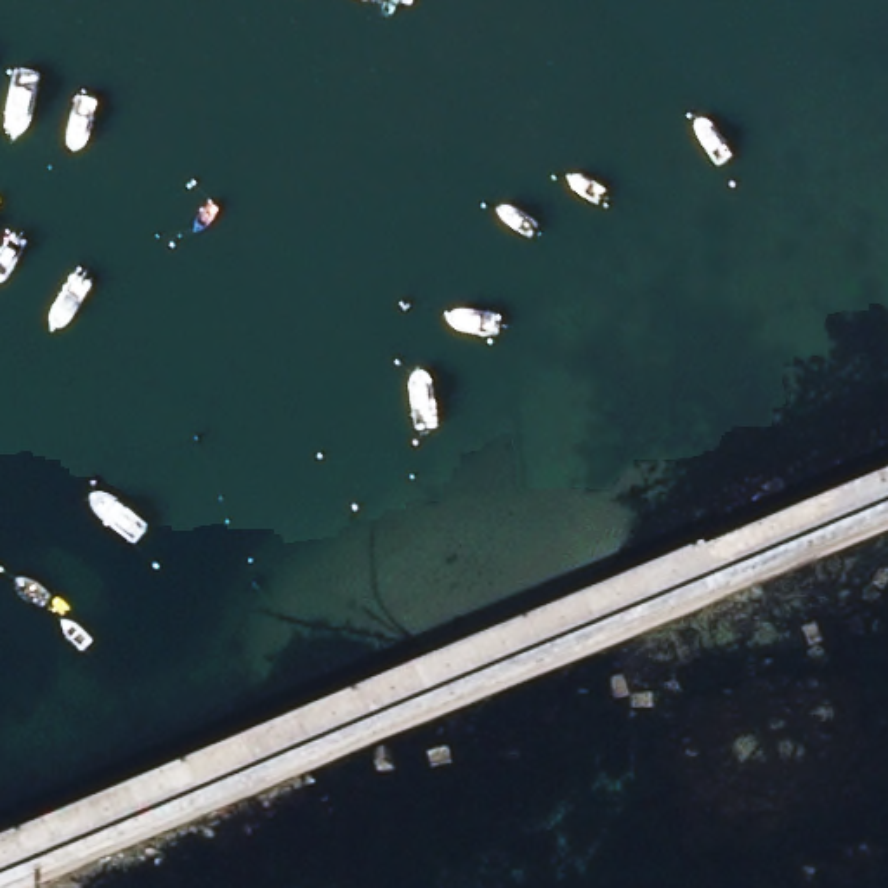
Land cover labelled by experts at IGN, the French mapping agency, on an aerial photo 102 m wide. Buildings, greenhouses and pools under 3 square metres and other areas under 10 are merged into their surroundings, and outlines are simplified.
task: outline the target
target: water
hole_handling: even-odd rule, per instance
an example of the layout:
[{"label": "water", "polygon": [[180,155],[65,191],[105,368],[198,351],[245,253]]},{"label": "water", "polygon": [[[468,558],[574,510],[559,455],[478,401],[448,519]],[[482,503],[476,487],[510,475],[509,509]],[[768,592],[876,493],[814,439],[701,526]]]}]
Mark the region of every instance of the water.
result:
[{"label": "water", "polygon": [[163,763],[184,760],[205,746],[215,746],[295,708],[305,708],[319,697],[357,687],[385,669],[454,645],[468,635],[531,614],[569,593],[614,579],[676,548],[715,541],[794,503],[805,503],[819,493],[829,493],[843,482],[888,468],[888,0],[0,0],[0,833],[42,819],[56,808],[66,808],[73,801],[83,801],[139,774],[149,774]]},{"label": "water", "polygon": [[333,763],[323,763],[250,798],[239,798],[212,812],[215,836],[198,836],[184,822],[177,829],[160,833],[160,853],[146,860],[87,864],[87,878],[80,888],[888,888],[888,531],[843,552],[812,558],[763,583],[749,583],[676,621],[649,628],[569,666],[548,669],[475,704],[465,704],[389,739],[375,739],[364,749],[354,749]]}]

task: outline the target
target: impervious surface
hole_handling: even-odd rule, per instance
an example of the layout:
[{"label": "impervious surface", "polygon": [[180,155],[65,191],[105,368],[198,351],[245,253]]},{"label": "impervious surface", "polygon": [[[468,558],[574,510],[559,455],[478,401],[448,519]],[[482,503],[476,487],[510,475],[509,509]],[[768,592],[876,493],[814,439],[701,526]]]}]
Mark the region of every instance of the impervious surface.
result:
[{"label": "impervious surface", "polygon": [[149,774],[139,774],[83,801],[73,801],[66,808],[56,808],[42,819],[0,833],[0,888],[80,888],[87,878],[87,864],[146,860],[160,853],[160,833],[177,829],[184,822],[198,836],[215,836],[212,812],[239,798],[250,798],[323,763],[333,763],[354,749],[364,749],[375,739],[389,739],[465,704],[475,704],[548,669],[569,666],[649,628],[676,621],[749,583],[763,583],[812,558],[843,552],[888,531],[888,468],[843,482],[829,493],[819,493],[805,503],[794,503],[715,541],[676,548],[614,579],[569,593],[531,614],[468,635],[454,645],[385,669],[357,687],[319,697],[305,708],[295,708],[215,746],[205,746],[184,760],[163,763]]}]

